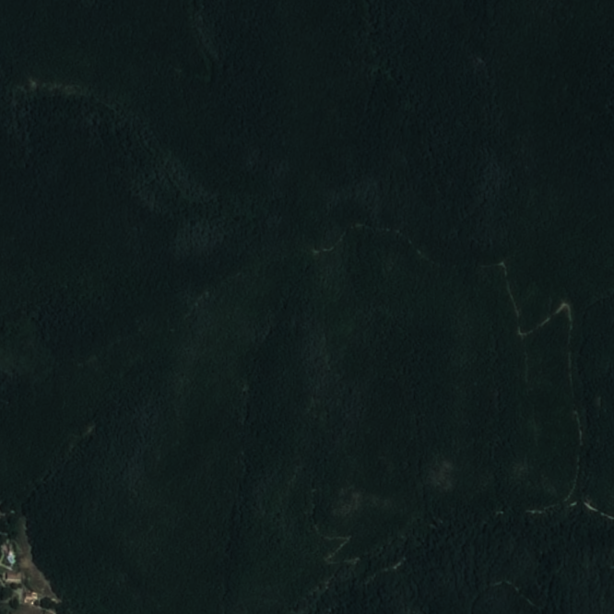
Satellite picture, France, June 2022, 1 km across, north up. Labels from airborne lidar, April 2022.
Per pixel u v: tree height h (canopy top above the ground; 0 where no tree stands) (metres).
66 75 6
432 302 7
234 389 7
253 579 7
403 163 10
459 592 7
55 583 15
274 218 14
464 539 7
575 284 6
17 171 8
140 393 12
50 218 8
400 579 9
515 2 8
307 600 7
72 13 10
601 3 10
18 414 7
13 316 9
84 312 9
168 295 8
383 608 7
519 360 6
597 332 8
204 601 10
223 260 9
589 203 10
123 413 12
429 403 7
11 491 10
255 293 9
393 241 8
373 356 9
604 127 17
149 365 10
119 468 9
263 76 12
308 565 11
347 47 13
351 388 8
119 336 7
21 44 10
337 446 8
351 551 7
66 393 7
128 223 9
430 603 8
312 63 8
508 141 9
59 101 11
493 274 6
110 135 15
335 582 14
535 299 6
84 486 8
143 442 11
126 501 7
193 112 7
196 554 8
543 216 8
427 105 12
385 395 10
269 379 8
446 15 10
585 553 8
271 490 8
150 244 7
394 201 9
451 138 10
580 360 10
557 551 13
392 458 7
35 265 10
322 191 8
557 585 10
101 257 9
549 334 8
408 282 6
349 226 10
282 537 8
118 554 7
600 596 8
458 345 8
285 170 7
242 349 9
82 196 8
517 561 8
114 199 9
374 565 20
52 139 10
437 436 6
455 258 10
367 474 6
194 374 7
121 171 10
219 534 12
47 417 8
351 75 11
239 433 14
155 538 7
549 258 8
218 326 6
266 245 8
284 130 7
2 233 7
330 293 7
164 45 9
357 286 14
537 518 12
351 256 10
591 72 15
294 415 9
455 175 10
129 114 8
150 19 10
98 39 7
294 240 9
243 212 11
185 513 8
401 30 13
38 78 6
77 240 8
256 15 10
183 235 12
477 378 10
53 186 10
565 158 13
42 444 9
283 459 8
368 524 7
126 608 8
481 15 18
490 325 9
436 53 10
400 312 11
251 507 11
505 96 9
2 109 14
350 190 7
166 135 8
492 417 12
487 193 13
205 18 14
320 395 6
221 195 14
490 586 6
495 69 8
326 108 6
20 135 14
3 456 6
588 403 10
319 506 11
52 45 9
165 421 6
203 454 7
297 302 12
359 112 14
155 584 6
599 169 12
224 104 13
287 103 7
